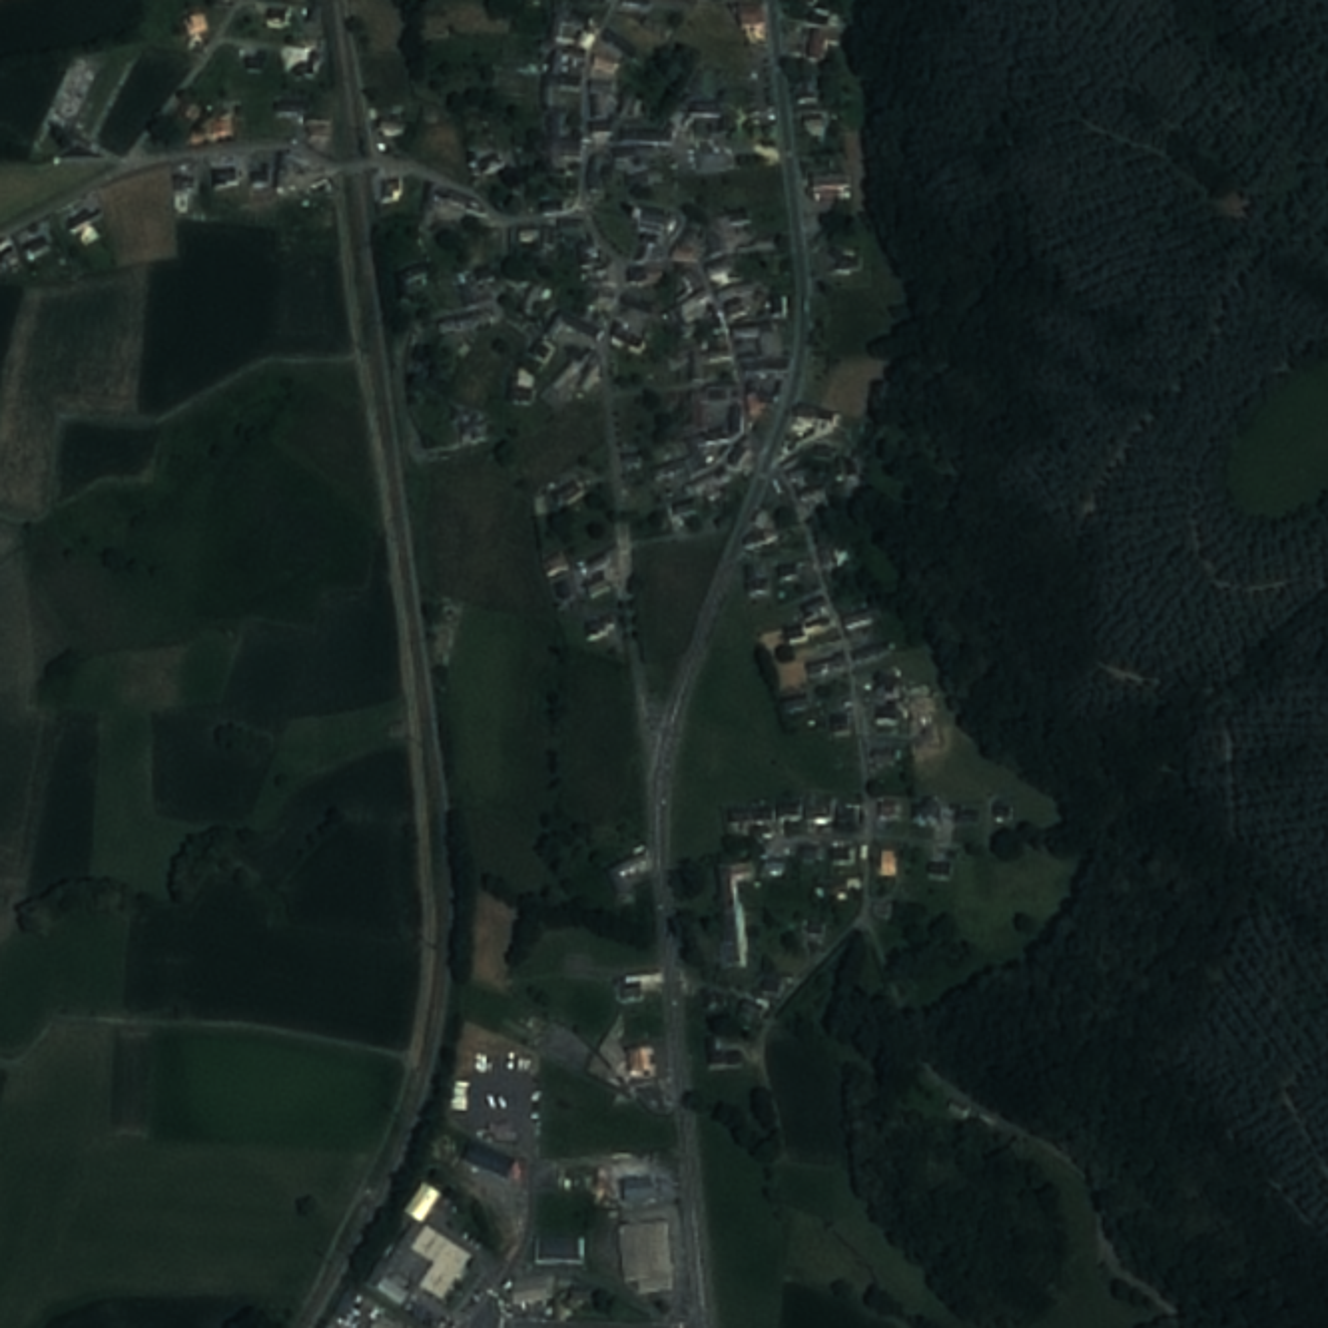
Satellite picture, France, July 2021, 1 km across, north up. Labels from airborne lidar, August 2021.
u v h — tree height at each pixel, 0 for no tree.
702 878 18
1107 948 26
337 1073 0
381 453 0
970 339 23
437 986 0
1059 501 18
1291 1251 21
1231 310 19
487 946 0
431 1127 19
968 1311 24
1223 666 16
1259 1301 25
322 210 0
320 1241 0
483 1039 0
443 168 0
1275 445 0
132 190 0
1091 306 21
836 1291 11
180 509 0
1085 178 15
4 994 0
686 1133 0
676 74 23
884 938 0
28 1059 0
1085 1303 0
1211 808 24
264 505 0
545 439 0
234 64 0
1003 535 22
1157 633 15
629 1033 0
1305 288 16
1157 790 27
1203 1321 16
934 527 24
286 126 0
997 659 21
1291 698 20
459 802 6
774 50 0
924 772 0
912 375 19
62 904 12
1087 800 25
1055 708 20
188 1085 0
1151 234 18
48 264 0
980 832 0
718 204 0
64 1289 0
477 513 0
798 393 0
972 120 23
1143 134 17
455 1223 0
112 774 0
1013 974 22
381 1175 0
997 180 25
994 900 0
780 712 8
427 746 0
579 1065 0
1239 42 20
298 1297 0
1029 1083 24
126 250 0
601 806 0
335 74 7
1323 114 19
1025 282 25
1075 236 17
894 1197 19
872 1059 29
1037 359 21
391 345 0
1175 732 21
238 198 0
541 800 0
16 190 0
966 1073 24
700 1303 0
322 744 0
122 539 0
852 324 0
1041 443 19
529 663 0
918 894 0
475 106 13
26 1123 0
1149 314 18
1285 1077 15
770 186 0
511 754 0
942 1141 12
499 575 0
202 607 0
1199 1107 13
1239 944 16
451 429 0
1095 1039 20
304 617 0
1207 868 29
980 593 23
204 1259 0
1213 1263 26
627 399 0
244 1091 0
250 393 0
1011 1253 19
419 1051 0
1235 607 18
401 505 0
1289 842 16
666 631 0
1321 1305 16
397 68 0
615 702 0
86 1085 0
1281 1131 14
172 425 0
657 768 0
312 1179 0
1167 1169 28
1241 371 16
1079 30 15
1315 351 18
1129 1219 19
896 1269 0
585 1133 0
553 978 0
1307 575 15
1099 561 18
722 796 0
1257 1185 18
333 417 0
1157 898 25
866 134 12
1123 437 17
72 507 0
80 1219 0
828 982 12
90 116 0
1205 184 14
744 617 0
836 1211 0
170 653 0
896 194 19
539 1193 0
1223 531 15
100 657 0
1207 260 19
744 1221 0
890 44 21
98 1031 0
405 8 13
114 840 0
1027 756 25
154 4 0
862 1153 22
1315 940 22
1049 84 18
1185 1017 22
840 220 15
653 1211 0
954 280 22
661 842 0
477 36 0
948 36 26
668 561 0
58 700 0
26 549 0
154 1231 0
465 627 0
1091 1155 23
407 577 0
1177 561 16
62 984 0
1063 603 21
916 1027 30
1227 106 20
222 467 0
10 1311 0
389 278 8
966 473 14
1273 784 19
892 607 16
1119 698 19
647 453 9
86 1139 0
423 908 7
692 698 0
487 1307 0
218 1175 0
